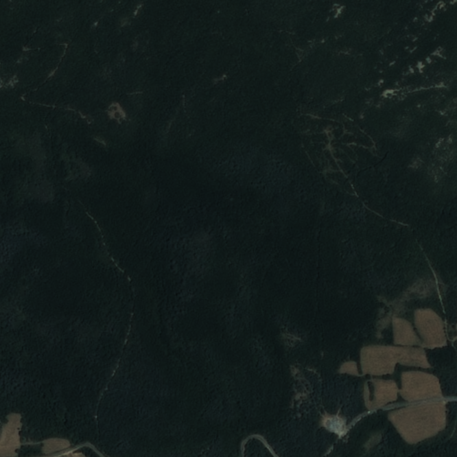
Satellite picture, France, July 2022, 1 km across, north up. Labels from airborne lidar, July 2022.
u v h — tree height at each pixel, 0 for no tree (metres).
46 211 12
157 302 8
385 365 0
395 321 0
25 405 15
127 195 9
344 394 17
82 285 13
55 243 11
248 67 7
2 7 8
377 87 5
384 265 8
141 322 12
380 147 8
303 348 8
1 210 10
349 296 7
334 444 11
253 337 9
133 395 11
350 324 10
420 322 0
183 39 8
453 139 6
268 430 8
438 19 8
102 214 12
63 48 6
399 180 12
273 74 7
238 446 8
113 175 11
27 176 7
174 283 8
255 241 9
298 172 11
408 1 6
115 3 8
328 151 6
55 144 10
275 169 9
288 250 12
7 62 6
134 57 7
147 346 12
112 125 11
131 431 9
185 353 9
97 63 7
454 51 6
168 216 12
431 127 5
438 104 6
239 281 11
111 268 11
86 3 9
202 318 11
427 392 0
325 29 7
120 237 13
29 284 12
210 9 6
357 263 10
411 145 8
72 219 9
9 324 11
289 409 8
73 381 14
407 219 11
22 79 8
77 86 6
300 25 9
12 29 14
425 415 0
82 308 14
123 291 10
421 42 7
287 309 10
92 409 11
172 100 7
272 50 9
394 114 5
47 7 11
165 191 16
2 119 7
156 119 8
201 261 7
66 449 0
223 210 17
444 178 11
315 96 7
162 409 13
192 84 7
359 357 10
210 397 13
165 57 11
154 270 11
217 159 9
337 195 9
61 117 11
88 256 10
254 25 10
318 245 8
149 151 8
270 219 10
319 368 7
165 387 11
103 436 12
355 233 8
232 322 12
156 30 6
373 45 6
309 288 11
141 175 12
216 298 9
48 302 11
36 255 14
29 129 7
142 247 13
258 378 9
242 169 11
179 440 10
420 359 0
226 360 9
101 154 15
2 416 9
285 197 13
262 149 11
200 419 8
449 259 12
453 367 7
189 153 12
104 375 10
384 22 8
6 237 8
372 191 8
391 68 7
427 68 5
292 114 7
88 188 11
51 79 8
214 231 10
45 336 7
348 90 6
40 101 10
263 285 11
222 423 12
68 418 18
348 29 6
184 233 8
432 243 11
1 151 9
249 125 8
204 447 14
